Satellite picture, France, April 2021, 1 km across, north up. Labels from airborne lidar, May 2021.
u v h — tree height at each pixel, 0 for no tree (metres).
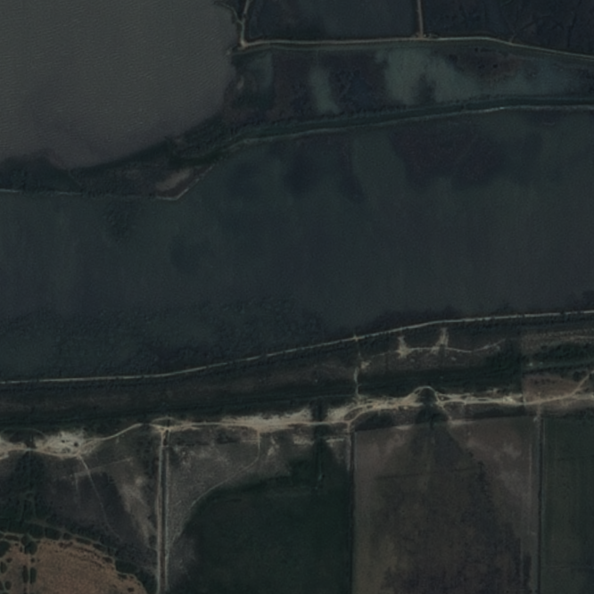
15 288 0
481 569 0
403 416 0
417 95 0
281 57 0
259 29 0
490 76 0
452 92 0
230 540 0
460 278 0
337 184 0
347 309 0
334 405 0
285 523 0
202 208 0
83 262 0
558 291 0
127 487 0
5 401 0
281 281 0
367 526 0
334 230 0
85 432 0
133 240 0
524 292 0
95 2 0
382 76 0
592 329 0
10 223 0
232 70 0
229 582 0
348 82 0
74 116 0
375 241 0
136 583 0
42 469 8
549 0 0
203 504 0
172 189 0
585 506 0
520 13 0
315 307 0
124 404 0
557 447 0
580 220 0
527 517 0
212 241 0
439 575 0
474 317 0
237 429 0
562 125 0
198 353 7
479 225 0
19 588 0
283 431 0
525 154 0
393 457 0
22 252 0
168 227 0
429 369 0
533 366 0
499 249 0
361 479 0
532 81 0
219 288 0
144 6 0
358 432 0
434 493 0
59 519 6
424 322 0
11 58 0
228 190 0
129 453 0
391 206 0
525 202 0
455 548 0
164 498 0
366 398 0
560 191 0
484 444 0
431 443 0
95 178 7
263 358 6
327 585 0
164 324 0
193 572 0
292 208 0
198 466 0
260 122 7
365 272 0
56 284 0
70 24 0
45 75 0
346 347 8
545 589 0
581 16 0
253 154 0
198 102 0
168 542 0
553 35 0
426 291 0
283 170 0
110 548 6
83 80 0
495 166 0
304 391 0
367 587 0
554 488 0
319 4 0
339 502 0
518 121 0
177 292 0
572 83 0
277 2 0
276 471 0
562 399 0
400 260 0
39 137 0
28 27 0
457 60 0
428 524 0
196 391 0
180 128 0
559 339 0
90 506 0
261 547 0
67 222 0
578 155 0
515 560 0
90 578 0
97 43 0
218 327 0
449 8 0
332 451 0
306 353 7
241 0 0
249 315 0
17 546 0
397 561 0
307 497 0
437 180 0
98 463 0
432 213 0
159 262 0
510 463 0
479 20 0
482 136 0
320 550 0
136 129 0
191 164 0
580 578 0
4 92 0
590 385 0
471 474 0
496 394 0
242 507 0
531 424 0
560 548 0
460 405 0
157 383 6
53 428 0
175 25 0
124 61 0
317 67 0
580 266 0
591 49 0
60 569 0
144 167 7
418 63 0
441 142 0
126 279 0
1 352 0
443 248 0
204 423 0
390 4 0
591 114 0
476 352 0
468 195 0
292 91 0
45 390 6
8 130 0
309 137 0
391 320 0
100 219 0
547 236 0
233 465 0
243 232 0
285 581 0
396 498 0
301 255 0
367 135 0
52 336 0
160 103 0
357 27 0
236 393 0
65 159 0
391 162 0
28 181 5
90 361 0
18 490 0
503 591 0
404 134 0
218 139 8
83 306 0
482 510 0
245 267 0
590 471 0
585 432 0
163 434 0
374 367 0
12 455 0
